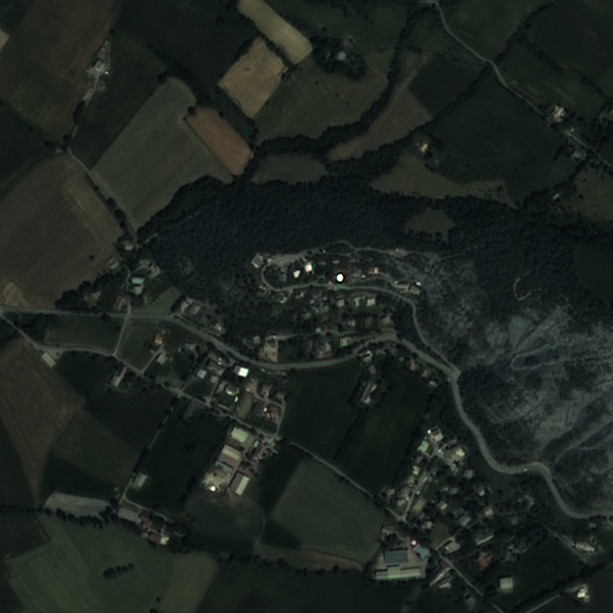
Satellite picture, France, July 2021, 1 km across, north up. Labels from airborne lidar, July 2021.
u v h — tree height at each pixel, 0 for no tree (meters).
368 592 0
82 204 0
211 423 0
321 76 0
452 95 0
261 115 0
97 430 0
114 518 19
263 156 15
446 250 7
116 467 0
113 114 0
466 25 0
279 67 0
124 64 0
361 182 15
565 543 0
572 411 0
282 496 0
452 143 0
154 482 0
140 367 0
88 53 0
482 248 10
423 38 0
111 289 0
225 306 6
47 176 0
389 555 0
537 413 0
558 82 0
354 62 7
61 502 0
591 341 0
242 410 0
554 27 0
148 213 0
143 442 0
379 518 0
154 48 8
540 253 14
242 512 0
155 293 0
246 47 10
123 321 0
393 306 8
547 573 0
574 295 13
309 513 0
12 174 0
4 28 0
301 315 7
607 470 0
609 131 10
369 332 7
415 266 5
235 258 6
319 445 0
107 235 0
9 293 0
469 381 10
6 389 0
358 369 0
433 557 9
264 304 10
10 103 0
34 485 0
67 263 0
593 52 0
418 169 0
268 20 0
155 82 0
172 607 0
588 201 0
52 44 0
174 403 16
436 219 0
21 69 0
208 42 0
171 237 6
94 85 0
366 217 11
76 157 0
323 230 10
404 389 0
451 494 7
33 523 0
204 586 0
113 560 0
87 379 0
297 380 0
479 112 0
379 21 0
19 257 0
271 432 0
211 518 0
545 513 10
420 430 15
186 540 18
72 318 0
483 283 7
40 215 0
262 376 0
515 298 9
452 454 0
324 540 0
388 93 14
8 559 0
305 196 13
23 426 0
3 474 0
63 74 0
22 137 0
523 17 0
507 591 0
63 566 0
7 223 0
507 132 0
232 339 10
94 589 0
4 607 0
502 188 9
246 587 0
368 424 0
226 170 0
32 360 0
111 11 0
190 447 20
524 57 0
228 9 14
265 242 9
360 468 0
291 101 0
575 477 0
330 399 0
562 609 0
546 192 17
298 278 7
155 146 0
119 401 0
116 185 0
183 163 0
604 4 0
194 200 0
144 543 0
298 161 0
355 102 0
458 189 0
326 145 13
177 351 0
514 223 15
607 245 21
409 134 7
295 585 0
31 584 0
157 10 0
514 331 0
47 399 0
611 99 9
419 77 0
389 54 0
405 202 21
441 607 0
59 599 0
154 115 0
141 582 0
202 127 0
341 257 8
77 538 0
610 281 0
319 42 15
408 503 0
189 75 14
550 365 0
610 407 0
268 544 0
